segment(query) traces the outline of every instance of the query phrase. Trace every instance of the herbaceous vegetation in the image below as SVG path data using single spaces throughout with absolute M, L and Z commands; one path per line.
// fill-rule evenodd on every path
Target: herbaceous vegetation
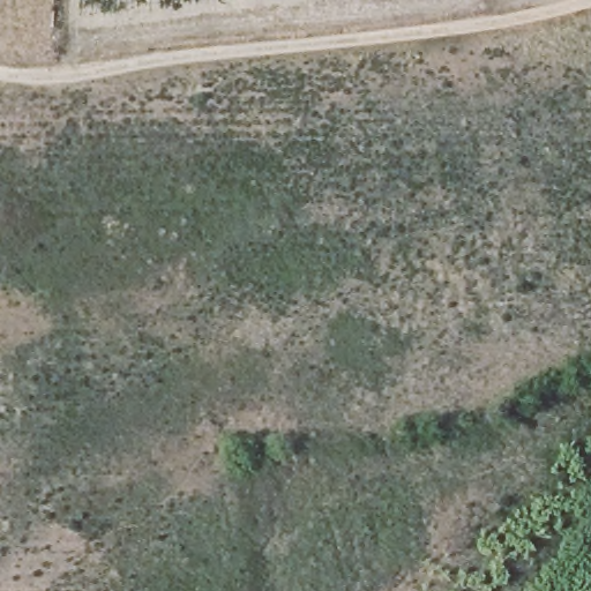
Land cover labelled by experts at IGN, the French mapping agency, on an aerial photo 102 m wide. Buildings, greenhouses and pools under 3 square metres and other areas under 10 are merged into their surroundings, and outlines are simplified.
M 247 563 L 249 552 L 263 552 L 268 556 L 268 584 L 275 584 L 275 591 L 462 591 L 457 573 L 466 573 L 466 566 L 482 566 L 482 554 L 476 547 L 478 533 L 485 531 L 485 536 L 499 538 L 499 524 L 510 517 L 515 506 L 519 506 L 522 501 L 540 499 L 545 494 L 540 492 L 543 464 L 552 464 L 556 459 L 559 443 L 568 443 L 568 448 L 575 448 L 577 441 L 586 441 L 586 450 L 591 452 L 591 416 L 584 416 L 586 402 L 575 397 L 573 404 L 556 404 L 549 411 L 538 413 L 536 429 L 517 425 L 510 434 L 496 439 L 489 452 L 469 455 L 466 459 L 452 457 L 448 446 L 432 446 L 422 452 L 397 450 L 392 455 L 386 452 L 379 457 L 374 452 L 369 432 L 381 436 L 395 422 L 413 413 L 448 413 L 455 409 L 473 411 L 478 406 L 485 409 L 492 404 L 503 404 L 508 397 L 513 397 L 515 386 L 519 386 L 522 381 L 538 376 L 549 367 L 561 367 L 568 358 L 577 353 L 591 351 L 591 7 L 515 28 L 328 51 L 185 62 L 136 69 L 104 78 L 90 78 L 85 83 L 74 85 L 25 85 L 5 83 L 0 78 L 0 591 L 247 591 L 252 575 L 240 575 L 240 568 Z M 242 480 L 226 476 L 226 443 L 231 441 L 238 443 L 252 462 L 252 469 L 242 476 Z
M 508 540 L 501 540 L 503 563 L 513 559 L 519 570 L 524 570 L 524 577 L 517 584 L 499 584 L 501 591 L 524 591 L 524 584 L 533 582 L 540 575 L 543 563 L 556 554 L 556 549 L 533 547 L 533 552 L 519 552 L 513 545 L 508 545 Z
M 0 72 L 5 67 L 39 69 L 60 65 L 55 60 L 58 32 L 53 30 L 53 0 L 0 0 Z

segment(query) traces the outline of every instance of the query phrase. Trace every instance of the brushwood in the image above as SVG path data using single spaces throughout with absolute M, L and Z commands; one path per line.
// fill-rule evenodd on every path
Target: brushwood
M 69 25 L 67 0 L 53 0 L 53 30 L 58 32 L 55 60 L 60 65 L 62 65 L 62 55 L 69 51 L 72 42 Z

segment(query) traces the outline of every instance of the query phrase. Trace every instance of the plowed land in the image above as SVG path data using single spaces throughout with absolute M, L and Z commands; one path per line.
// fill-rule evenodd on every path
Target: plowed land
M 69 25 L 72 42 L 69 51 L 62 55 L 62 65 L 78 67 L 88 62 L 109 62 L 148 53 L 171 53 L 187 48 L 235 46 L 256 42 L 312 39 L 344 32 L 372 32 L 409 25 L 450 23 L 478 16 L 499 16 L 536 9 L 561 0 L 127 0 L 127 9 L 122 12 L 102 12 L 99 7 L 85 7 L 81 23 Z

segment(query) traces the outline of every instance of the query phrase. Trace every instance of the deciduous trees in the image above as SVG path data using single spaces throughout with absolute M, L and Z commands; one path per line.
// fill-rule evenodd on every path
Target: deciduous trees
M 226 443 L 226 476 L 242 480 L 242 476 L 252 469 L 252 462 L 238 443 L 231 441 Z
M 422 452 L 432 446 L 448 446 L 452 457 L 466 459 L 469 455 L 489 452 L 496 439 L 510 434 L 517 425 L 536 429 L 538 413 L 549 411 L 556 404 L 573 404 L 575 397 L 586 402 L 584 416 L 591 416 L 591 351 L 577 353 L 568 358 L 561 367 L 549 367 L 538 376 L 522 381 L 519 386 L 515 386 L 513 397 L 508 397 L 503 404 L 492 404 L 485 409 L 478 406 L 473 411 L 455 409 L 448 413 L 413 413 L 395 422 L 381 436 L 369 432 L 374 452 L 379 457 L 386 452 L 392 455 L 397 450 Z
M 247 563 L 240 568 L 240 575 L 252 575 L 247 591 L 275 591 L 275 584 L 268 584 L 268 556 L 263 552 L 249 552 Z
M 577 441 L 575 448 L 568 448 L 568 443 L 559 443 L 556 459 L 552 464 L 543 464 L 540 492 L 545 494 L 540 499 L 522 501 L 519 506 L 515 506 L 510 517 L 499 524 L 499 538 L 485 536 L 485 531 L 478 533 L 476 547 L 482 554 L 482 566 L 466 566 L 466 573 L 457 573 L 462 591 L 501 591 L 499 584 L 517 584 L 524 577 L 524 570 L 519 570 L 513 559 L 503 563 L 501 540 L 508 540 L 508 545 L 513 545 L 519 552 L 533 552 L 533 547 L 556 549 L 556 554 L 543 563 L 540 575 L 533 582 L 524 584 L 524 591 L 591 591 L 591 452 L 586 450 L 586 441 Z

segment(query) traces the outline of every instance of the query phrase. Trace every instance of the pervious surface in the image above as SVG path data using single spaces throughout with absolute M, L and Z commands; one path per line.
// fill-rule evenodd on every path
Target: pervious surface
M 450 23 L 409 25 L 372 32 L 344 32 L 312 39 L 256 42 L 235 46 L 187 48 L 171 53 L 148 53 L 109 62 L 88 62 L 78 67 L 62 65 L 60 65 L 39 69 L 5 67 L 0 72 L 0 78 L 5 83 L 25 85 L 74 85 L 85 83 L 90 78 L 104 78 L 136 69 L 185 62 L 328 51 L 515 28 L 591 7 L 591 0 L 561 0 L 536 9 L 499 16 L 478 16 Z

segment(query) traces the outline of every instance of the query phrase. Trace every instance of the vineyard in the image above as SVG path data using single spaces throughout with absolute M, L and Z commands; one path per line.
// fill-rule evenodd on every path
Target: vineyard
M 127 9 L 127 0 L 67 0 L 69 25 L 81 23 L 85 7 L 99 7 L 102 12 L 122 12 Z

